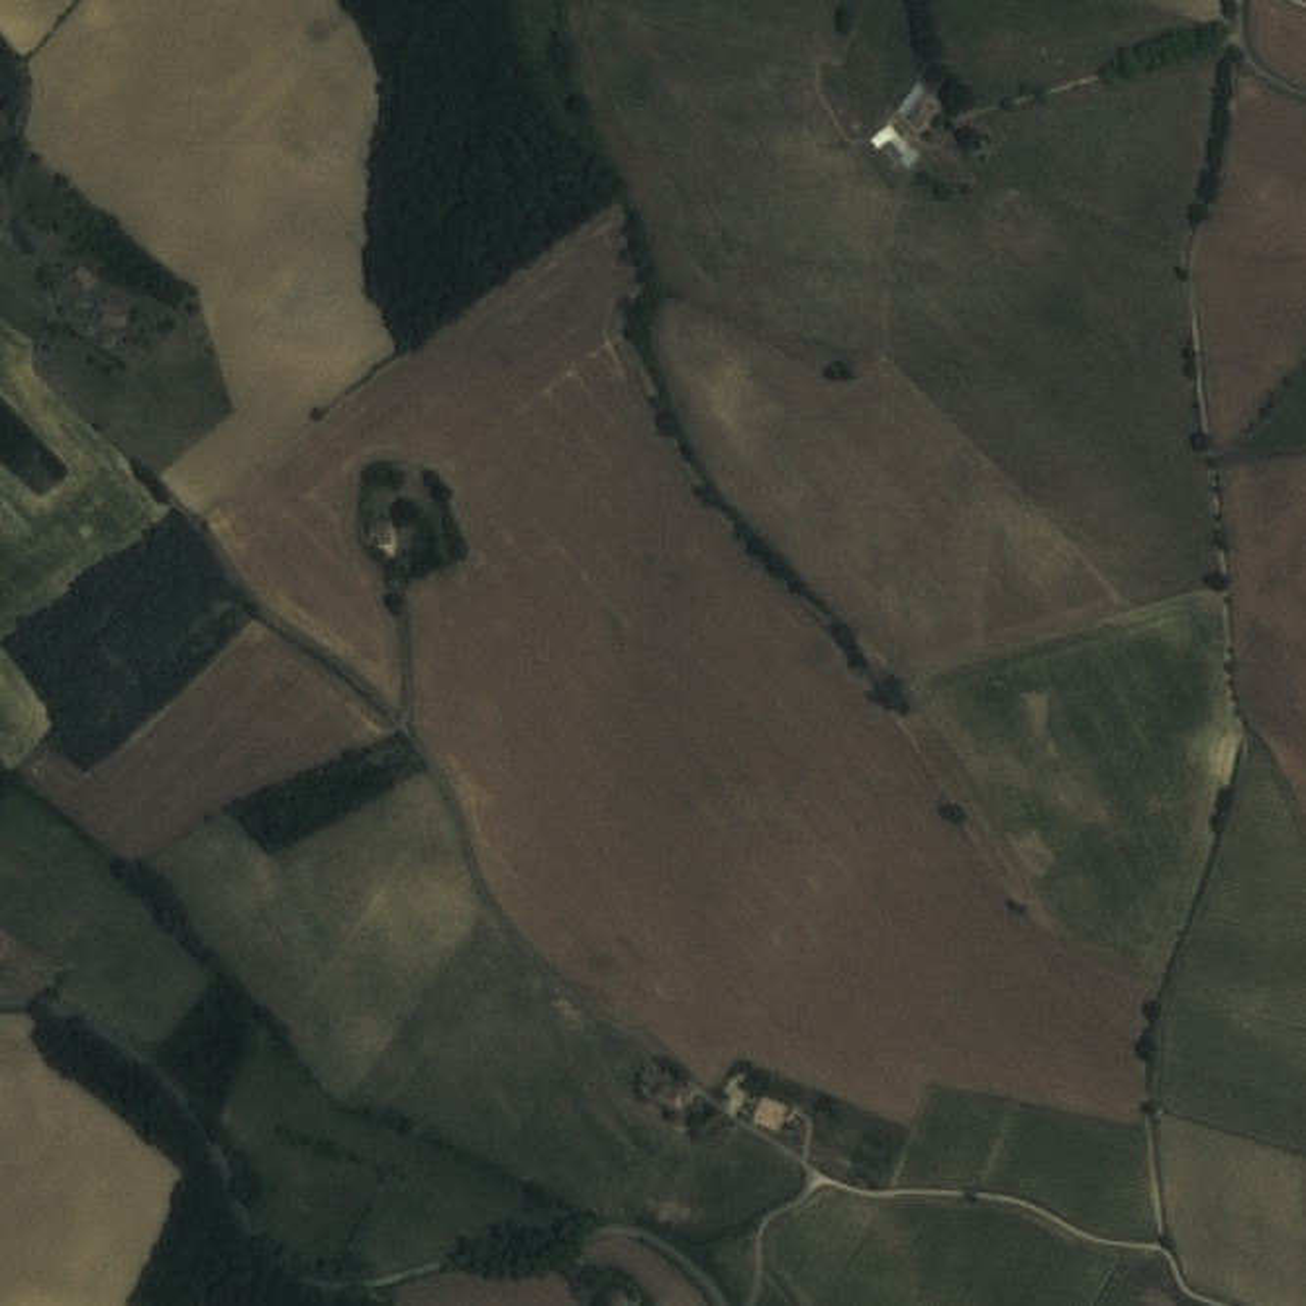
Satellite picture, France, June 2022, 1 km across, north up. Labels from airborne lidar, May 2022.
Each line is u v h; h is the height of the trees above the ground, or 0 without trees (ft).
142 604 39
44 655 34
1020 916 74
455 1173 0
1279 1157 0
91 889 0
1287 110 0
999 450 0
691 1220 0
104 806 0
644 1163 0
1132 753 0
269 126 0
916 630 0
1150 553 0
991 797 0
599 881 0
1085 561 0
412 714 0
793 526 0
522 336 0
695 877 0
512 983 0
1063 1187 0
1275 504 0
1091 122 0
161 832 0
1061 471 0
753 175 0
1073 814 0
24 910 0
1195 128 0
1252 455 0
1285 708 0
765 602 0
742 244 0
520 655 0
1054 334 0
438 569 27
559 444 0
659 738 0
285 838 36
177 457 0
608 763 0
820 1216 0
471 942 0
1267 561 0
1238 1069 0
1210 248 0
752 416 0
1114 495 0
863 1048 0
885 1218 0
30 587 0
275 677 0
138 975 0
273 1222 0
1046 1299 0
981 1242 0
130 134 0
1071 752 0
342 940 0
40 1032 44
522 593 0
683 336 0
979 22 0
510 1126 0
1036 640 0
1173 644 0
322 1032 0
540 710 0
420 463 0
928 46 67
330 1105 0
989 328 0
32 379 0
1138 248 0
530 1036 0
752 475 0
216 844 0
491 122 69
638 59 0
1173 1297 0
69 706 30
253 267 0
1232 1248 0
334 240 0
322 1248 0
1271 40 0
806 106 0
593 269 0
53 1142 0
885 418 0
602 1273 31
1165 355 0
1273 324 0
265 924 0
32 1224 0
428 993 0
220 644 28
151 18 0
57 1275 0
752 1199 0
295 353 0
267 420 0
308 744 0
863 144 0
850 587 0
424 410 0
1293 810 0
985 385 0
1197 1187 0
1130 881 0
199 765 0
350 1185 0
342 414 0
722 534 0
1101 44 0
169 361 0
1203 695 0
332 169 0
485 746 0
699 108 0
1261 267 0
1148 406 0
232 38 0
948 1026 0
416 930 0
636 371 0
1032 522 0
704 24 0
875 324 0
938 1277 0
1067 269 0
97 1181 0
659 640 0
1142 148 0
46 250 0
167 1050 22
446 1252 0
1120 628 0
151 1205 0
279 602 0
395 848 0
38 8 0
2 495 0
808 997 0
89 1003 0
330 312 0
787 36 0
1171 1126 0
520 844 0
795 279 0
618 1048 0
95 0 0
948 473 0
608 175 49
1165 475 0
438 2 52
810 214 0
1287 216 0
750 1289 0
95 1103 0
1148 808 0
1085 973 0
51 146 0
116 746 33
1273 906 0
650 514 0
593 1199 0
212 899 0
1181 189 0
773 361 0
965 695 0
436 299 73
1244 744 0
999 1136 0
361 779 31
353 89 0
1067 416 0
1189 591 0
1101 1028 0
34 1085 0
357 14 27
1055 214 0
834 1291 0
